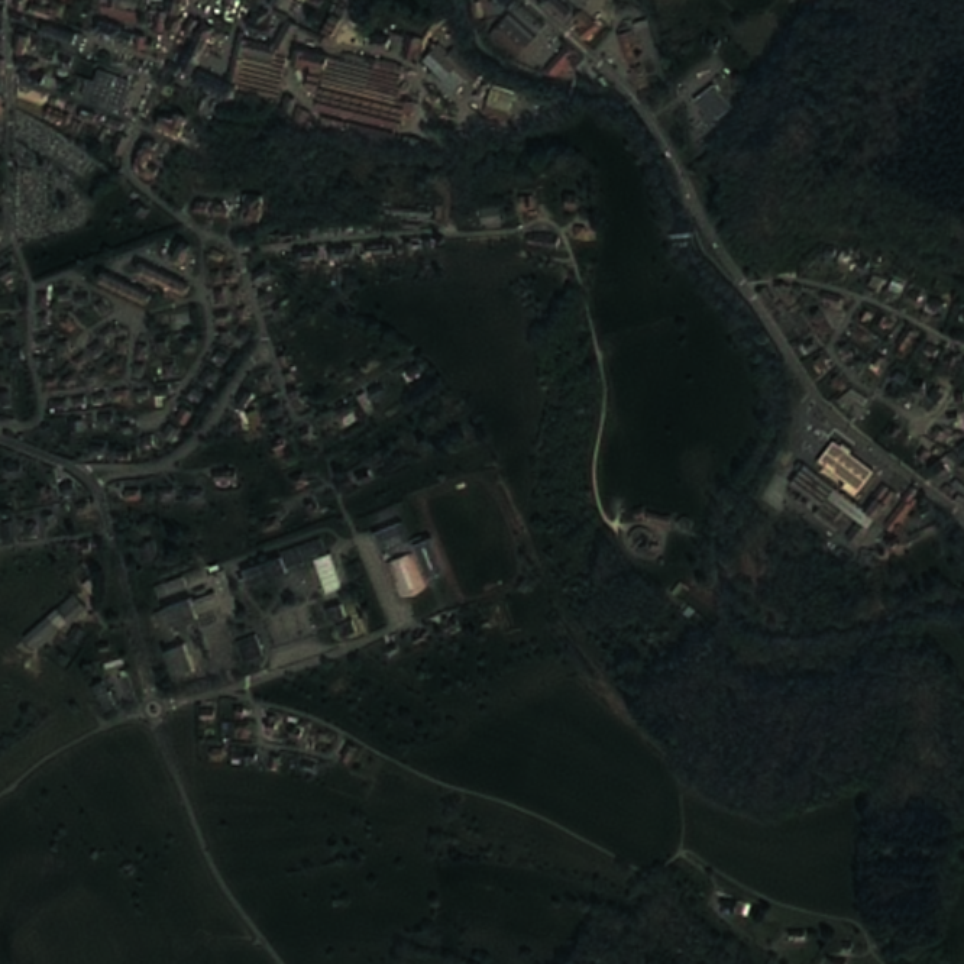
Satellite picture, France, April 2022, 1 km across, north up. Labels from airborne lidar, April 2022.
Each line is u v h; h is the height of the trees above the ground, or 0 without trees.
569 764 0
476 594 0
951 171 30
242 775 0
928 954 16
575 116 19
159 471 0
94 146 16
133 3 0
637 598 28
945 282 0
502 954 0
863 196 30
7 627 0
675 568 0
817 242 8
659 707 29
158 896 0
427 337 0
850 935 0
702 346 0
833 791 21
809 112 22
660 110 0
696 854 0
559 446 12
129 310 0
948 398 0
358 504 0
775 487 0
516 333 0
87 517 0
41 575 0
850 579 18
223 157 12
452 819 9
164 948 0
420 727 11
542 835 0
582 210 7
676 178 18
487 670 8
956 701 27
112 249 8
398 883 0
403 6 20
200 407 11
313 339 0
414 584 0
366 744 0
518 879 0
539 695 0
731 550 22
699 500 0
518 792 0
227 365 7
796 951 0
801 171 21
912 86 17
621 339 0
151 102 0
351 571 12
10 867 0
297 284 9
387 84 0
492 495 0
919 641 21
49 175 0
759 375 22
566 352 16
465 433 19
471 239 0
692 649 21
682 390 0
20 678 0
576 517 12
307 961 0
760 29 0
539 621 0
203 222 0
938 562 0
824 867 0
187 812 0
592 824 0
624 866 12
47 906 0
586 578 11
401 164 11
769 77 27
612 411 0
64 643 0
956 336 9
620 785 0
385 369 0
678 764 22
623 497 0
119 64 0
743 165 14
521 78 21
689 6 0
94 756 0
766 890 0
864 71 17
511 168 20
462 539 0
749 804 21
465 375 0
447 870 0
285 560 0
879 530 0
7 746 7
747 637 23
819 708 32
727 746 17
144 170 0
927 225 21
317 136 23
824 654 21
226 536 0
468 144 20
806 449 0
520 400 0
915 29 24
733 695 29
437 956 8
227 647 0
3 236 0
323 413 10
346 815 0
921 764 26
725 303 10
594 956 23
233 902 0
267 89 0
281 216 16
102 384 0
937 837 44
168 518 0
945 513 20
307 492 0
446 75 0
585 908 12
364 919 0
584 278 8
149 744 0
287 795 0
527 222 0
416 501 0
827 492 0
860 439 0
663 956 8
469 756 0
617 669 8
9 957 0
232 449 0
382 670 0
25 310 5
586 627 9
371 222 7
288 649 0
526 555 15
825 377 0
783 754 27
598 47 0
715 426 0
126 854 0
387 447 17
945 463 0
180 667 0
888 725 20
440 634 6
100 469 0
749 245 14
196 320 9
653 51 0
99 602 16
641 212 0
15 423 0
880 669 25
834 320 0
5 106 0
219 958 0
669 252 15
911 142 33
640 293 0
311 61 0
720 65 0
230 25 10
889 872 42
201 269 0
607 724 0
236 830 0
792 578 16
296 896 0
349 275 14
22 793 0
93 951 0
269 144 16
